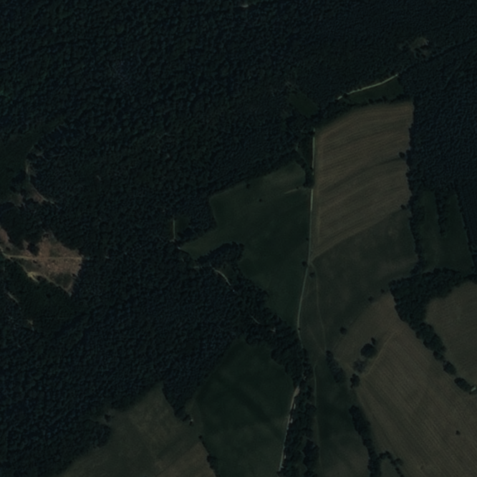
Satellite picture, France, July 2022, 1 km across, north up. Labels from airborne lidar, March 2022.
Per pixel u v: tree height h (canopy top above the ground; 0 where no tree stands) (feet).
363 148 0
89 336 94
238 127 75
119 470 0
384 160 0
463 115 119
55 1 105
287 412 0
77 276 86
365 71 73
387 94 0
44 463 74
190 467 0
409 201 0
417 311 75
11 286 96
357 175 0
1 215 75
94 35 40
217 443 0
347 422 0
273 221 0
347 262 0
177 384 85
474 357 0
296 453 39
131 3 100
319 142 0
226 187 78
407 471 0
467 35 66
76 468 0
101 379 76
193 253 0
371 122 0
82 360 83
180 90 96
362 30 80
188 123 58
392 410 0
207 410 0
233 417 0
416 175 65
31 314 20
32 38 85
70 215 81
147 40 61
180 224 0
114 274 90
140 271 94
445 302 0
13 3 99
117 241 88
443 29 65
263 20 61
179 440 0
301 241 0
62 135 100
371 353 70
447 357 0
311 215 0
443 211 52
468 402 0
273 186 0
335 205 0
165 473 0
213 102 96
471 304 0
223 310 87
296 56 69
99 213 93
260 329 52
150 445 0
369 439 55
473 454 0
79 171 46
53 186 75
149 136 66
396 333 0
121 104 78
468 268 0
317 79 70
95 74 104
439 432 0
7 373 112
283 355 68
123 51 61
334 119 39
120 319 81
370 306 0
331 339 0
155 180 80
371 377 0
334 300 0
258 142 90
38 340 103
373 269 0
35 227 76
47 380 96
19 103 80
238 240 0
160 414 0
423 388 0
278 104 89
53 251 100
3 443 82
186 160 62
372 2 73
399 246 0
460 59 80
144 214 61
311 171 41
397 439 0
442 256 0
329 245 0
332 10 86
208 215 95
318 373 0
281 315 0
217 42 68
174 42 78
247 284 61
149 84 79
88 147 25
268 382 0
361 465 0
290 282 0
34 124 93
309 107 0
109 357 81
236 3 61
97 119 101
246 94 54
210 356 78
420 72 76
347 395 0
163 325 92
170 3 67
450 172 94
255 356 0
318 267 0
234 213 0
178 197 66
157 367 66
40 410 95
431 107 96
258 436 0
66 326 32
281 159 54
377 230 0
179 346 61
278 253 0
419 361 0
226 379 0
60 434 89
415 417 0
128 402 61
